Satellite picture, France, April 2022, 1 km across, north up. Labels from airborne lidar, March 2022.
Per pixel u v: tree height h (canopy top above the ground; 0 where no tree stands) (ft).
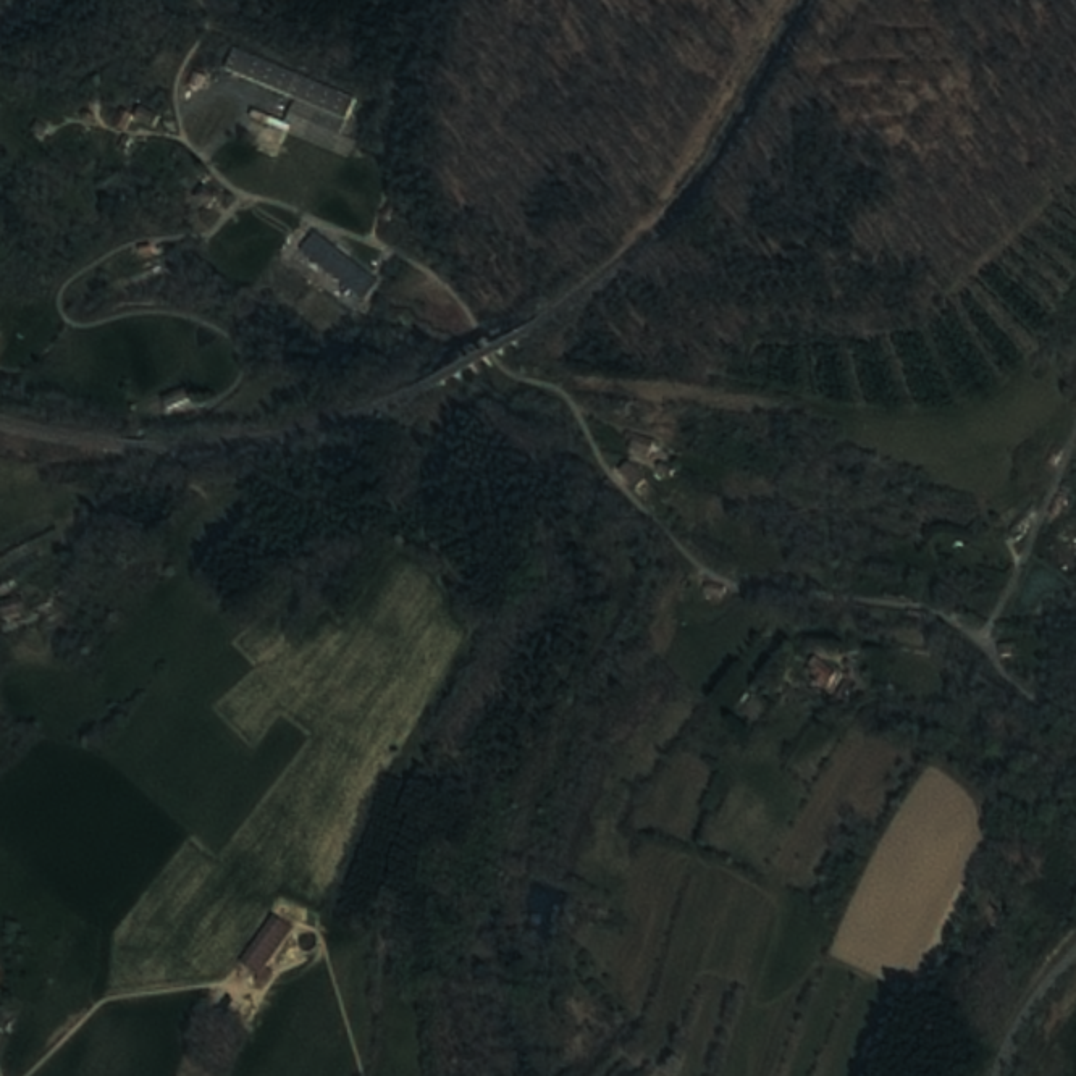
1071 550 0
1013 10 84
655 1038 0
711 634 0
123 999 0
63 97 30
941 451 0
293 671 0
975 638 0
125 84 39
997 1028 84
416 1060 0
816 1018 0
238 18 84
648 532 66
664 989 0
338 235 0
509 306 116
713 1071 48
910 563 0
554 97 102
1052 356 53
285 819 0
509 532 99
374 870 57
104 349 0
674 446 0
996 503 0
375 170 0
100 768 0
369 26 52
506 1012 94
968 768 27
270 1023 0
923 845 0
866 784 0
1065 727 60
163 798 0
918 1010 112
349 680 0
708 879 0
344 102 0
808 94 98
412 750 0
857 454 62
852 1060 0
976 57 99
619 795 0
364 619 0
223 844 0
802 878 0
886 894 0
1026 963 21
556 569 90
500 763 99
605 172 91
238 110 0
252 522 74
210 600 49
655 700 0
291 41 59
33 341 0
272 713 0
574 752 42
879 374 41
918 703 32
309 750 0
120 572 47
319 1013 0
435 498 25
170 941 0
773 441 30
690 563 0
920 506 58
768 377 41
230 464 91
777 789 0
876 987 0
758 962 0
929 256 95
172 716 0
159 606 0
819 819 0
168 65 0
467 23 94
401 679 0
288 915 0
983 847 0
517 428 107
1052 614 33
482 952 74
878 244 87
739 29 0
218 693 0
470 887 56
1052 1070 0
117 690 0
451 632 0
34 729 51
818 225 83
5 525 0
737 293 91
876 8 96
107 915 0
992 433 0
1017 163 103
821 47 94
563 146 97
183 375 0
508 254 103
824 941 0
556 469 86
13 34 83
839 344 45
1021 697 39
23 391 66
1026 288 59
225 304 55
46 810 0
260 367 73
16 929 33
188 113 0
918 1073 110
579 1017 0
